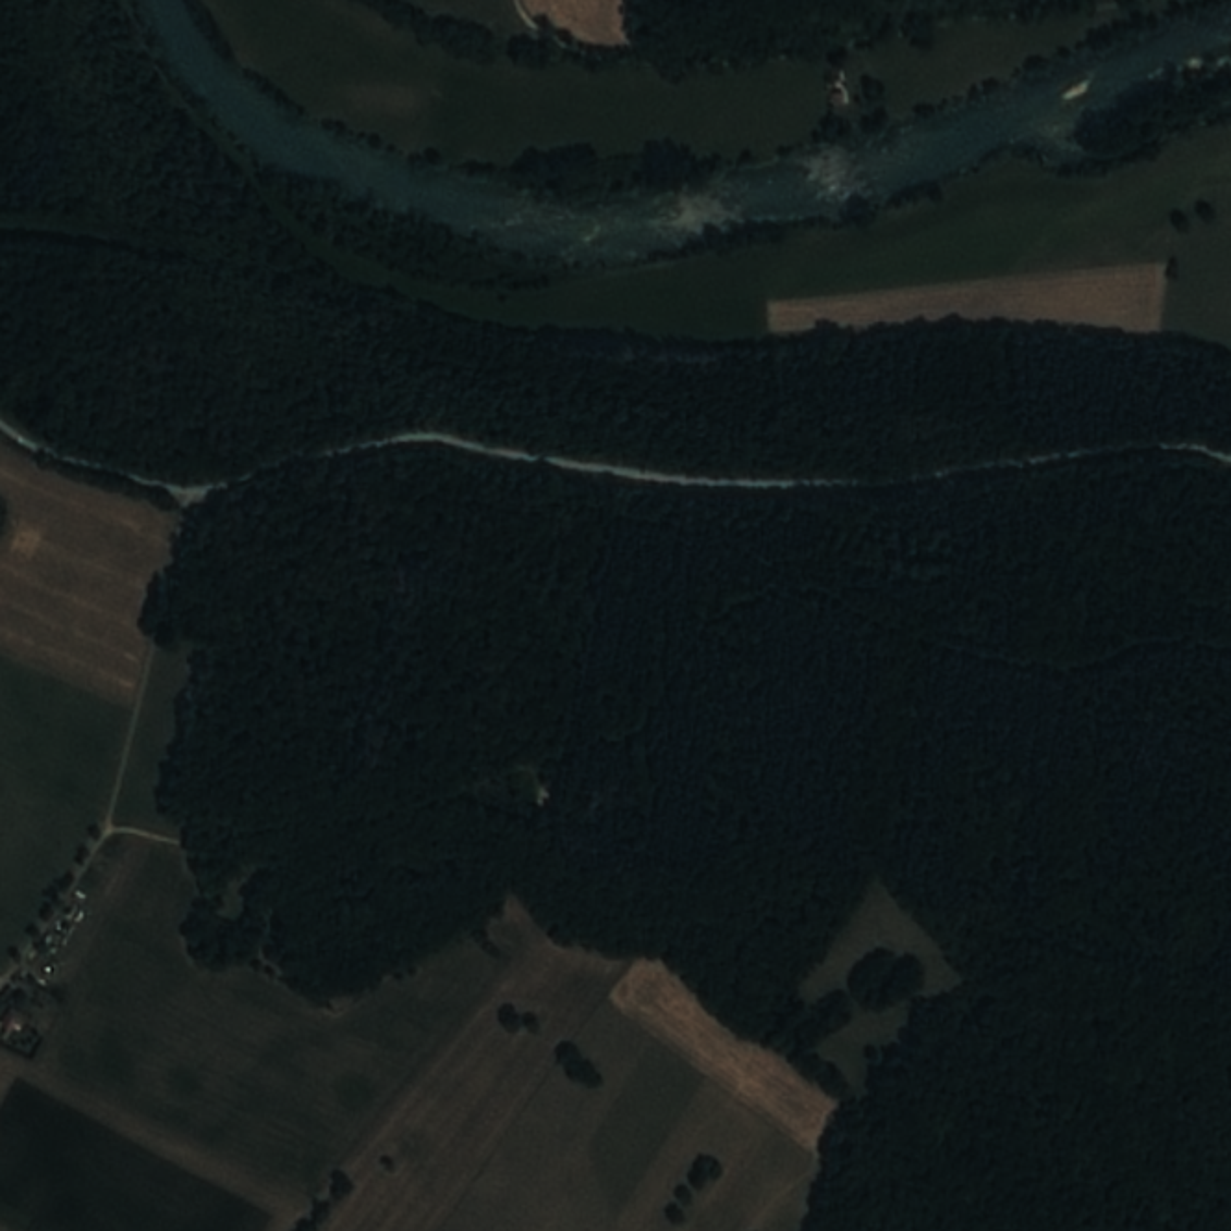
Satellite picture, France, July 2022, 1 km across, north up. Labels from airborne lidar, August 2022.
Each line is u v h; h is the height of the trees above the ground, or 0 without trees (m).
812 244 0
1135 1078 16
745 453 21
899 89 0
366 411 18
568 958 0
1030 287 0
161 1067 0
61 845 0
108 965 0
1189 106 13
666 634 17
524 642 15
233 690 21
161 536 0
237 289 17
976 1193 23
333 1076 0
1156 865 18
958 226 0
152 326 17
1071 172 11
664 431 27
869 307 0
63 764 0
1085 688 15
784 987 12
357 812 13
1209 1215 20
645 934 18
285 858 16
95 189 15
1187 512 18
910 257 0
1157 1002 18
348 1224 0
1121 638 18
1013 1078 23
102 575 0
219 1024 0
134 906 0
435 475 19
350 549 22
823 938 16
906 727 14
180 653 0
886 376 21
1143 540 15
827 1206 18
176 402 17
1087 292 0
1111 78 0
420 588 27
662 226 0
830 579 21
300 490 20
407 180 0
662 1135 0
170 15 0
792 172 0
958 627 15
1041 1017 22
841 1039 0
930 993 0
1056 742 21
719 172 15
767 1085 0
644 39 23
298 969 17
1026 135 0
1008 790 20
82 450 16
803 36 17
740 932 18
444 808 18
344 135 14
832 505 16
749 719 14
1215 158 0
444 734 19
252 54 0
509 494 19
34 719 0
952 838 15
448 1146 0
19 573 0
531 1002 0
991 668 22
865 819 17
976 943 15
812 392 21
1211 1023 17
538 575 18
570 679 17
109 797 0
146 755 0
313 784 18
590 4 0
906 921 0
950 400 17
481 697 18
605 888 18
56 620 0
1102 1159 18
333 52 0
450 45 19
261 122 0
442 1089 0
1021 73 6
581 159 21
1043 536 18
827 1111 0
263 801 22
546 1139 0
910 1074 23
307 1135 0
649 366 19
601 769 18
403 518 19
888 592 20
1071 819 14
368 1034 0
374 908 20
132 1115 0
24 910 0
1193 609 22
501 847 18
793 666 20
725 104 0
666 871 17
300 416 23
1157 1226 21
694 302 0
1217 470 13
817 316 0
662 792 19
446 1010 0
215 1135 0
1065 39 0
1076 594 21
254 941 12
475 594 19
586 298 0
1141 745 23
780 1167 0
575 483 16
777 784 18
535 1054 0
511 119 0
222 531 19
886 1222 21
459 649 20
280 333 15
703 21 17
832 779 22
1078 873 13
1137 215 0
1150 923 23
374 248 15
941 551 9
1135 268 0
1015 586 19
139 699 0
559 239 0
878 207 17
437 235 8
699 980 19
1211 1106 18
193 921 11
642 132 0
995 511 20
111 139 22
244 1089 0
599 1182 0
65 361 19
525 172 15
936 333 16
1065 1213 20
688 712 20
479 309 0
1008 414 19
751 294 0
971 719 20
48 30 16
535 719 18
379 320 10
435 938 16
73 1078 0
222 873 18
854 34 9
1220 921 16
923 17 9
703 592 17
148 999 0
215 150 27
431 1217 0
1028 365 26
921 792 14
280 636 24
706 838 21
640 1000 0
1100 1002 20
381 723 20
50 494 0
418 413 19
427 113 0
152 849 0
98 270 15
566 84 0
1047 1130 15
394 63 0
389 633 29
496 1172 0
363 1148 0
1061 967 16
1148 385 23
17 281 19
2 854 0
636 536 19
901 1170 21
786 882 21
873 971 12
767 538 19
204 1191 0
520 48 20
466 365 15
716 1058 0
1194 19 14
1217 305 0
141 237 6
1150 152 18
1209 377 25
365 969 23
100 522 0
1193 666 22
